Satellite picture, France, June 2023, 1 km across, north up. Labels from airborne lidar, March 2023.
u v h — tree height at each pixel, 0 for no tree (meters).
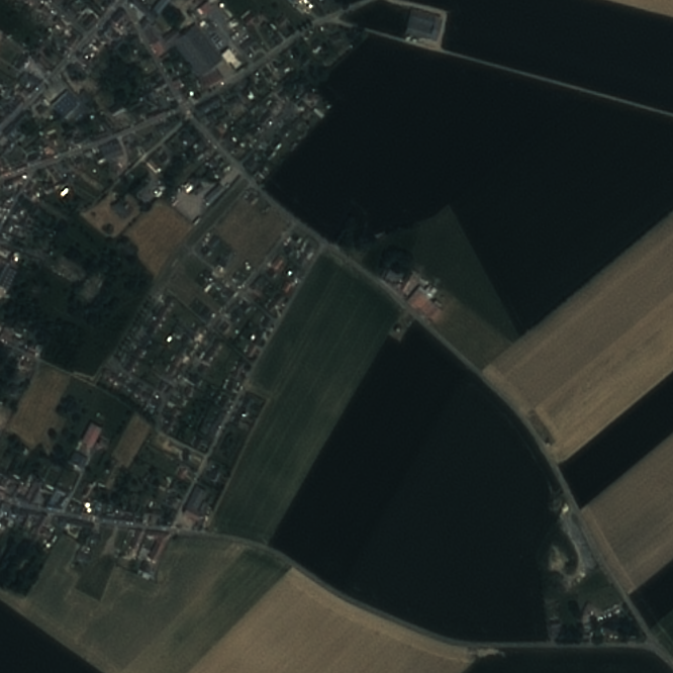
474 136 0
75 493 0
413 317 0
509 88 0
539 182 0
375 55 0
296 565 0
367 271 0
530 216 0
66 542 0
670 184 0
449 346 0
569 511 0
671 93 0
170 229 0
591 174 0
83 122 7
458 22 0
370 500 0
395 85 0
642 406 0
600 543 0
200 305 0
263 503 0
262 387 0
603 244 0
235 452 0
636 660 0
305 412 0
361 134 0
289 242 0
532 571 0
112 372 0
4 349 12
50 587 0
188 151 8
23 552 19
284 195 0
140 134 0
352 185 0
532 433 0
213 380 0
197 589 0
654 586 0
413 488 0
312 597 0
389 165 0
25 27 0
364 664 0
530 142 0
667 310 0
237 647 0
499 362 0
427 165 0
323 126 0
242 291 0
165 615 0
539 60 0
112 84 7
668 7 0
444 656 0
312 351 0
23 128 8
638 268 0
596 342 0
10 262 0
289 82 7
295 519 0
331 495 0
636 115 0
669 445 0
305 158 0
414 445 0
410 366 0
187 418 0
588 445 0
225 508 0
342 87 0
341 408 0
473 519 0
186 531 0
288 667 0
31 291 0
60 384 0
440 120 0
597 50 0
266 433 0
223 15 0
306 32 0
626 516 0
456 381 0
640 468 0
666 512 0
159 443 0
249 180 0
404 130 0
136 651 0
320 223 0
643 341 0
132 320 0
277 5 8
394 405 0
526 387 0
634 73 0
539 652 0
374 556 0
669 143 0
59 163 0
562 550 0
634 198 0
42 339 15
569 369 0
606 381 0
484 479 0
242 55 0
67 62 0
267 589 0
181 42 0
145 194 0
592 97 0
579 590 0
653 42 0
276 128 0
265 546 0
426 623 0
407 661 0
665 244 0
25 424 0
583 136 0
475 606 0
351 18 0
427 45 0
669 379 0
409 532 0
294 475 0
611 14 0
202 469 0
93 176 0
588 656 0
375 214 0
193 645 0
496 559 0
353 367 0
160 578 0
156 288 0
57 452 16
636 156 0
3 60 0
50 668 0
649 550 0
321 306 0
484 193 0
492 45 0
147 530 0
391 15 0
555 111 0
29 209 8
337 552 0
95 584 0
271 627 0
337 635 0
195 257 0
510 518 0
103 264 14
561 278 0
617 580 0
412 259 14
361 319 0
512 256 0
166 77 0
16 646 0
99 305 13
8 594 0
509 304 0
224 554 0
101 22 0
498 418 0
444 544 0
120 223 0
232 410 0
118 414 0
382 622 0
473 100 0
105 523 0
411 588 0
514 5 0
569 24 0
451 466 0
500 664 0
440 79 0
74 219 0
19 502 0
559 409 0
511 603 0
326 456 0
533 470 0
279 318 0
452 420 0
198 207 0
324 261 0
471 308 0
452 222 0
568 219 0
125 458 0
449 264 0
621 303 0
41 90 0
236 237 0
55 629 0
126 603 0
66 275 0
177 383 0
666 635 0
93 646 0
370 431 0
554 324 0
